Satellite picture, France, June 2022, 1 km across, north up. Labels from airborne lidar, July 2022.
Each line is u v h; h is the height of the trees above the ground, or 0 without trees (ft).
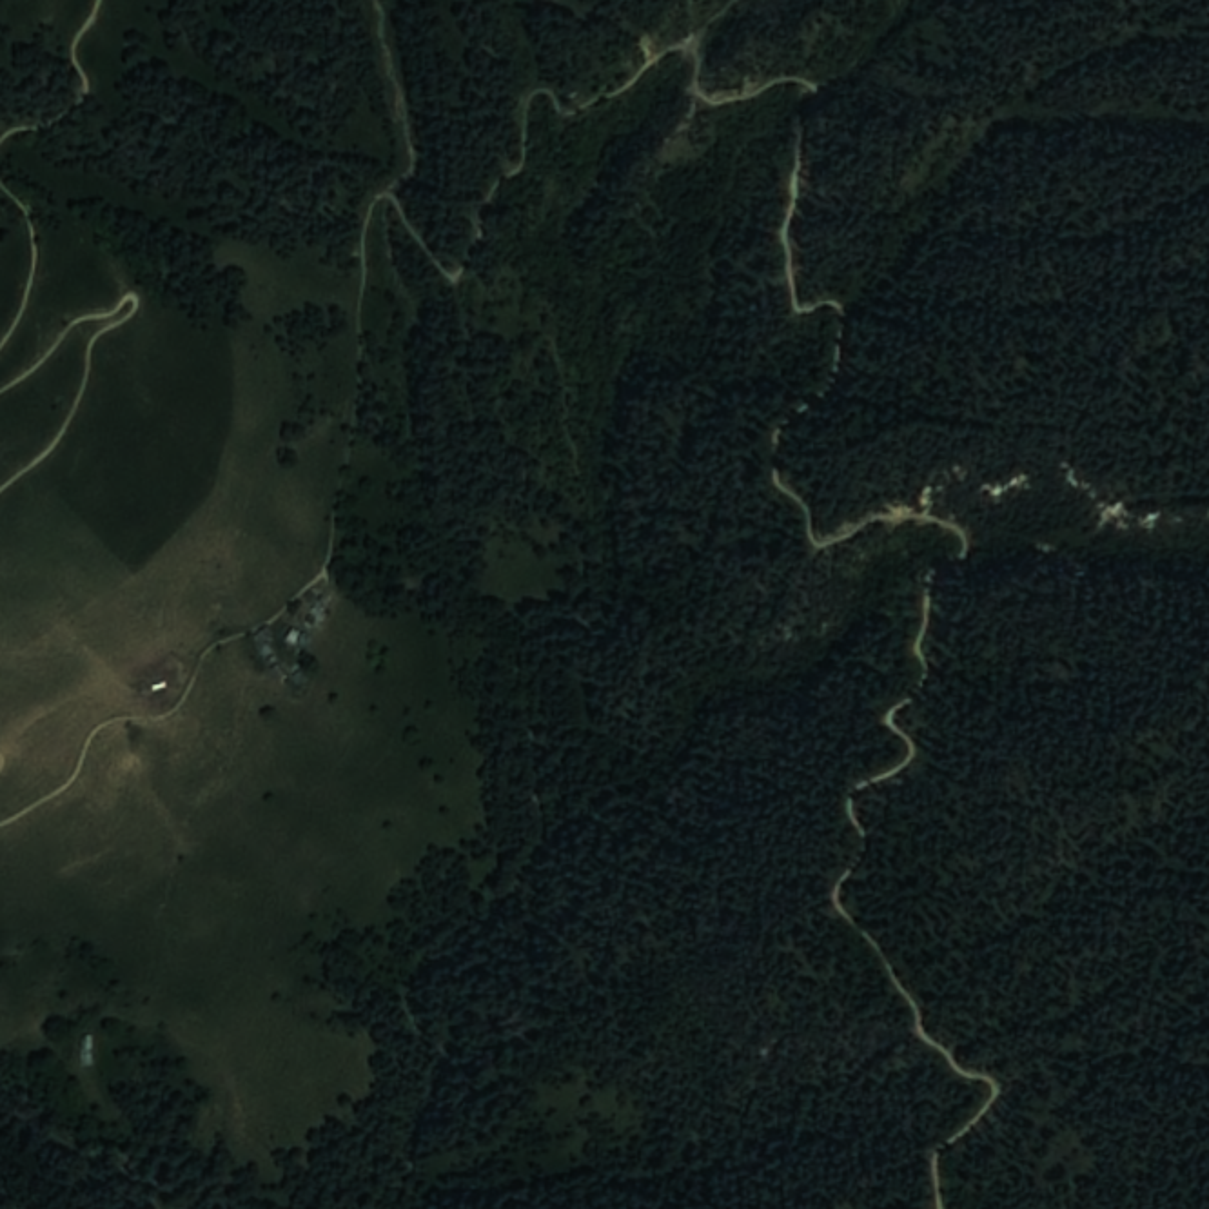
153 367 0
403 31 90
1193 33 68
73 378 0
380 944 57
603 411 34
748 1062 29
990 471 44
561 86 37
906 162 68
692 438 35
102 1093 0
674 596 48
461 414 34
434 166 33
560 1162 0
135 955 0
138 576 0
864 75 27
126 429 0
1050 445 54
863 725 43
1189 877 51
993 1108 0
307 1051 0
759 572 78
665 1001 49
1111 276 77
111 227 55
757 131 43
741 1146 110
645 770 54
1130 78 34
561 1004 45
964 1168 26
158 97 95
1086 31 57
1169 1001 29
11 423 0
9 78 62
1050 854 58
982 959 36
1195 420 21
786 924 42
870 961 36
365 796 0
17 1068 53
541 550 76
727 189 38
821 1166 83
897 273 32
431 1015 98
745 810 62
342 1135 86
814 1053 44
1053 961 24
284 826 0
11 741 0
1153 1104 55
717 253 55
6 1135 51
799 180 0
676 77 19
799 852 65
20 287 0
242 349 0
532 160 34
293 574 0
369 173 64
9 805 0
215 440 0
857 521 36
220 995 0
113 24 0
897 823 34
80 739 0
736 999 48
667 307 59
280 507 0
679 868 78
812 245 63
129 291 0
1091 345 84
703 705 25
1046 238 78
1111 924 71
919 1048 63
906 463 36
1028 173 47
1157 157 58
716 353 56
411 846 0
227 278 56
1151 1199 70
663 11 61
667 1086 57
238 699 0
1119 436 71
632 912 54
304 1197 52
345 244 93
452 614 98
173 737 0
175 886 0
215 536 0
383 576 61
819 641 25
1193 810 71
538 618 85
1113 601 51
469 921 90
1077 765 38
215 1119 0
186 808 0
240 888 0
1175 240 75
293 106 58
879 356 45
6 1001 0
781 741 60
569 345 44
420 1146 92
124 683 0
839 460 46
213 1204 97
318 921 28
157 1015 0
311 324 55
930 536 44
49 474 0
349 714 0
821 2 26
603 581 61
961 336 77
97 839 0
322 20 72
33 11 0
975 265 51
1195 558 29
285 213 83
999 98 45
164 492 0
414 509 60
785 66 37
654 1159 23
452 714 0
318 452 0
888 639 38
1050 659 33
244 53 92
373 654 37
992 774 63
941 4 28
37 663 0
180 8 74
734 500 76
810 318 38
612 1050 56
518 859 110
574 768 77
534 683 38
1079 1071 92
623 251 34
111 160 60
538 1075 30
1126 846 92
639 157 44
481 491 55
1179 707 71
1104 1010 73
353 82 61
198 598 0
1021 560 24
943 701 62
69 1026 44
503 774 95
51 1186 78
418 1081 75
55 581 0
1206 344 79
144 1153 56
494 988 107
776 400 96
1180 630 33
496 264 86
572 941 53
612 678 87
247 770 0
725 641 81
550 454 42
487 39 89
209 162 54
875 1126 61
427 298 20
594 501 22
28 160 0
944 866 21
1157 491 41
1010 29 64
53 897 0
